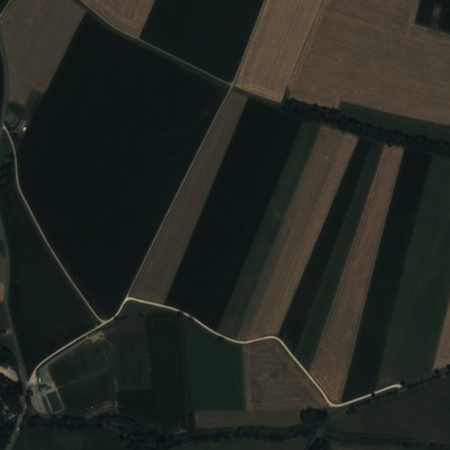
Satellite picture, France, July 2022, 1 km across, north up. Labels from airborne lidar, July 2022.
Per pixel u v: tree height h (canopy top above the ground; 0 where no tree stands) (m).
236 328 0
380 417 0
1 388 33
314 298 0
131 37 0
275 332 0
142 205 0
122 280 0
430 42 0
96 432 0
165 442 22
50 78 0
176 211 0
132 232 0
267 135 0
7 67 0
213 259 0
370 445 0
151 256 0
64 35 0
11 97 0
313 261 0
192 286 0
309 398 0
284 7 0
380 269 0
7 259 0
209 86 0
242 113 0
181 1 0
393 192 0
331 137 0
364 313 0
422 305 0
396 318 0
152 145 0
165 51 0
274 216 0
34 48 0
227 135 0
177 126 0
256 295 0
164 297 0
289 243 0
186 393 0
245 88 0
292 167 0
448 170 0
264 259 0
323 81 0
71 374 0
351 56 0
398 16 0
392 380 0
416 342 0
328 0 0
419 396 0
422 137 15
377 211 0
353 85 0
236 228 0
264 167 0
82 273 0
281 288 0
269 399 0
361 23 0
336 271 0
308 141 0
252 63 0
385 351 0
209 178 0
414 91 0
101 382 0
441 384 0
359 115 0
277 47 0
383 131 15
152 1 0
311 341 0
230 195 0
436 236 0
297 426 0
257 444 0
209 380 0
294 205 0
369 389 0
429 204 0
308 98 0
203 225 0
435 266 0
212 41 0
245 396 0
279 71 0
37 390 0
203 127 0
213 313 0
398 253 0
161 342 0
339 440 0
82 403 0
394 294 0
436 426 0
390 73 0
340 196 0
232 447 0
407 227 0
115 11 0
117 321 9
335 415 0
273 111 0
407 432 0
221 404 0
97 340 0
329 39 0
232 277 0
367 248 0
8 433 24
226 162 0
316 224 0
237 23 0
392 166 0
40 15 0
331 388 0
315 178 0
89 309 0
